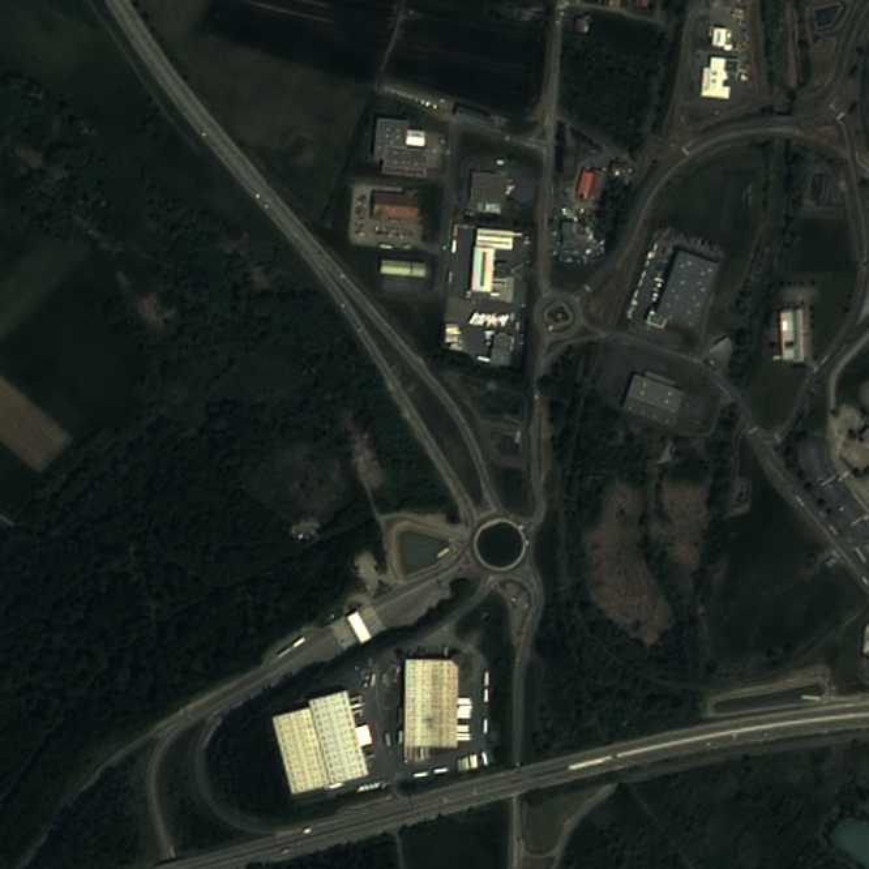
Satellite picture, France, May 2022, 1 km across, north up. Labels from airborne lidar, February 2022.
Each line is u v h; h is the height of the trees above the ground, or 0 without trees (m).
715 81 0
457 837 0
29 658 21
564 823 0
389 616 0
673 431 0
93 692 12
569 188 0
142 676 29
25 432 0
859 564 0
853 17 0
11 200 0
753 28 0
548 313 0
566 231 0
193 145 0
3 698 25
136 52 0
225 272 16
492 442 0
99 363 0
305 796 0
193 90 0
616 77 7
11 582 15
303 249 0
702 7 0
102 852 14
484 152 0
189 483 12
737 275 0
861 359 0
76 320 0
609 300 0
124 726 16
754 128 0
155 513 10
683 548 0
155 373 5
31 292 0
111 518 12
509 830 0
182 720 0
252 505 14
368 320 0
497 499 0
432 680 0
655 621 0
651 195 0
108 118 0
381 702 0
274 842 0
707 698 0
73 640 26
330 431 7
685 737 0
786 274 0
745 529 0
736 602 0
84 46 0
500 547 0
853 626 0
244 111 0
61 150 19
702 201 0
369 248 0
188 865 0
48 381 0
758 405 0
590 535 0
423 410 0
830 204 0
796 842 0
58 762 15
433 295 0
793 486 0
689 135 0
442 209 0
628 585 0
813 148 0
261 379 0
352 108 0
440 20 0
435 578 0
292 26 0
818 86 0
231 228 6
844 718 0
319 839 0
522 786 0
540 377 0
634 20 0
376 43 0
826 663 0
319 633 0
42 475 0
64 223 12
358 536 18
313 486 0
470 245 0
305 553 16
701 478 0
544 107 0
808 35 0
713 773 0
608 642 18
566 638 15
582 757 0
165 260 8
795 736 0
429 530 0
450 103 0
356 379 10
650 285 0
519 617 0
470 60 0
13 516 9
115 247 12
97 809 14
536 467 0
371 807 0
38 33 0
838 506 0
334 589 16
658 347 0
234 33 0
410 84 0
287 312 21
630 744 0
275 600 25
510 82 0
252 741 14
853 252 0
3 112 22
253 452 14
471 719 0
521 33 0
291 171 0
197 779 0
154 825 0
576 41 0
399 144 0
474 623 0
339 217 0
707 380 0
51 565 18
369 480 0
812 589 0
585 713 18
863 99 0
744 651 0
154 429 6
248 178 0
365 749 0
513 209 0
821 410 0
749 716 0
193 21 0
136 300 0
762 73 0
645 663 19
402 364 0
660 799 0
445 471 0
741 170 0
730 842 0
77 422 0
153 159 0
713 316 0
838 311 0
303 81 0
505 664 7
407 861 0
